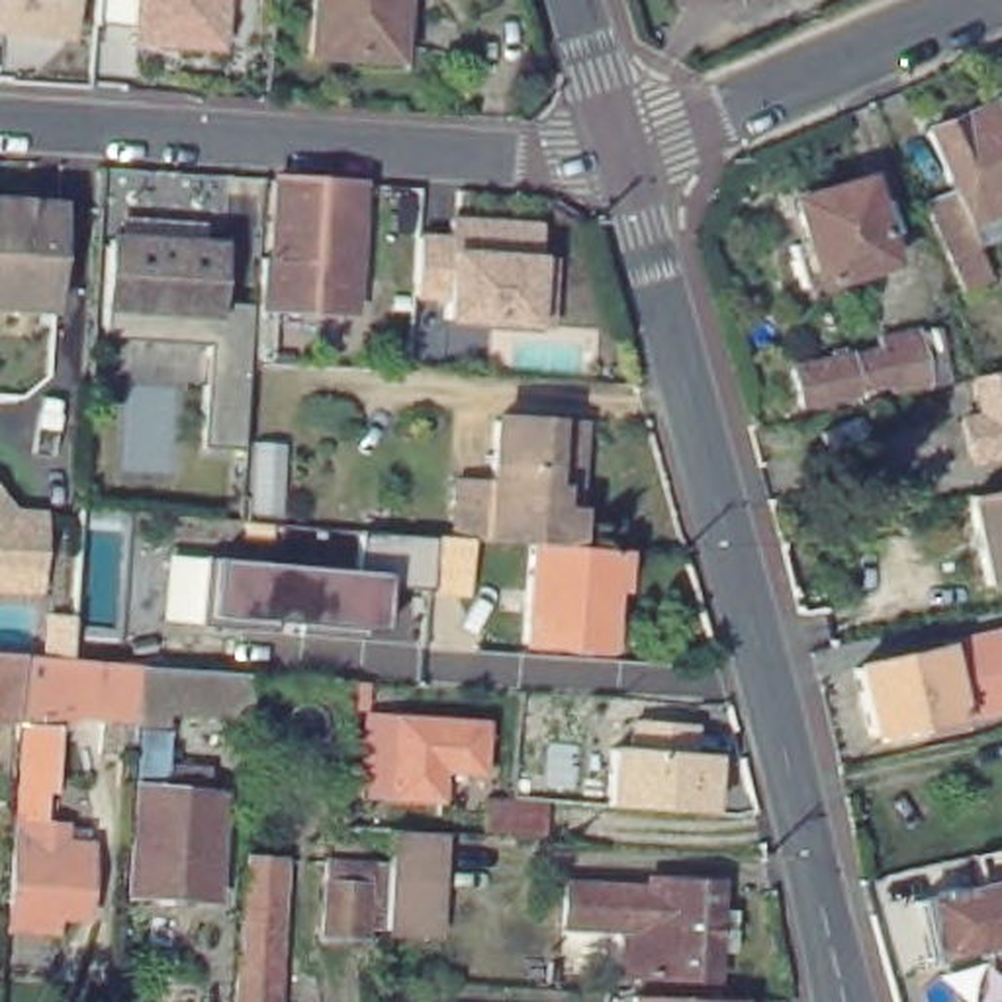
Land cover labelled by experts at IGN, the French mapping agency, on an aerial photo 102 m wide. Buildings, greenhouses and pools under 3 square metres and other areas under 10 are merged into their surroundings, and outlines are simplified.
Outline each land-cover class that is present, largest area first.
<instances>
[{"label":"impervious surface","instance_id":"1","mask_svg":"<svg viewBox=\"0 0 1002 1002\"><path fill-rule=\"evenodd\" d=\"M544 35V98L536 117H517L509 106H485L478 94L470 98V117L442 121L427 114L352 106L317 114L305 110V102L297 98L294 94L274 82V102L200 98L176 86L141 82V55L137 23H110L106 70H98L94 82H86V67L63 70L51 63L16 67L4 59L0 43V196L67 200L74 215L70 286L67 313L59 317V352L51 384L55 399L43 403V411L27 403L0 407V485L20 509L51 517L67 501L74 462V438L63 427V415L74 407V391L86 384V372H98L94 344L106 329V247L121 239L129 207L219 211L211 219V239L231 243V297L239 305H258V356L274 352L278 344H309L321 333L325 325L309 309H270V262L278 258L274 247L282 196L274 176L309 172L380 184L384 172L411 176L415 235H446L454 219H470V192L548 196L552 188H564L575 200L591 204L587 219H595L607 235V251L634 333L642 384L638 411L642 427L654 438V466H665L669 478L665 505L677 509V540L689 536L701 552L689 560L685 575L693 591V603L685 607L689 615H697L701 634H712L728 650L724 669H716L708 681H673L665 669L646 665L622 646V654L579 658L564 650H532L521 642L517 650H485L474 630H466L470 611H462V599H446L434 587L407 583L395 595V615H380L372 622L376 638H251L243 646V638L219 615L223 603L211 599L204 622H172L164 630L133 634L125 646H78L82 661H121L145 669H223L254 677L321 673L356 685L372 689H391V681H431L442 689V701H454L458 685L532 697L587 693L611 701H642L646 712V720L701 728V736H673L669 752L728 759L724 810L744 814V806L759 798L755 830L763 853L755 861H744L740 869L716 849H701L697 857L658 861L642 869L575 861L564 873L568 881L646 885L661 877H701L712 881V888L728 896L736 912L748 916L755 896H779L783 943L795 979L791 1002H932V986H947L955 994L951 1002H1002V963L955 971L943 959L939 935L932 928V908L924 904L947 892L979 888V853L963 849L939 865L896 869L881 881L865 877L857 814L845 787V759L877 748L861 716L857 669L904 654L959 646L986 630H1002V615L900 630L885 634L881 642H838L826 626V618H834L830 607L802 603V587L791 564V540L775 536L771 528V513H779L787 489L775 481V458L752 446V434L759 431V423L744 427V411L720 344L716 313L701 278L697 227L716 196L724 168L752 160L763 149V141L798 133L834 114L842 121H857L865 110L900 98L904 82L928 78L935 63L947 67L959 55H986L1002 63V0H849L838 4L826 20L798 27L759 51H748L712 70H697L689 67V51L720 47L744 31H755L787 16H806L814 0H658L654 20L665 31V43L650 47L638 31L630 0H532ZM528 344L575 348L579 364L587 368L599 352V329L560 325L552 333L528 337ZM121 368L129 372L121 423V470L129 478H168L176 470V446L172 434L180 395L200 387V372L215 364V348H200V341L180 337H121ZM74 740L82 767H90L98 783L94 791H82L63 779L51 814L55 822L70 826L78 842H90L98 853V912L94 924H63L55 939L12 935L16 982L31 986L47 975V982L63 986L74 982V975H94L102 982L114 967L106 943L114 939V892L117 885H129V822L117 814L125 779L121 752L106 744L102 720H82ZM575 783V748L556 744L548 752V767L540 775L517 779V791L532 806L556 810L560 802H583V795L611 798V779H587L583 791H568ZM615 947H626L622 932H571L564 939V959L556 963V982L564 990L587 967L591 955H615Z\"/></svg>","mask_w":1002,"mask_h":1002},{"label":"building","instance_id":"2","mask_svg":"<svg viewBox=\"0 0 1002 1002\"><path fill-rule=\"evenodd\" d=\"M247 0H0V43L4 59L16 67L51 63L63 47L78 39V23H90L86 67V82H94L98 70H106L110 23H137L141 55L180 59V51H227V31H243ZM411 0H313L305 27L309 70L329 63L360 67L411 63ZM947 121L924 117L916 137H924L935 149L943 184L947 192L932 204L928 227L939 239L947 270L959 290L990 282V274H998L1002 266V94L975 102V110L955 106L943 114ZM282 196L274 247L278 258L270 262V309H309L325 325L348 329L352 313L372 297L380 188H391L399 200L395 227L415 235L411 176L384 172L380 184L309 172L274 176ZM779 211L791 223V274L798 290L810 297L853 290L873 278L888 282L892 270L908 262L912 243H904L900 215L881 176H861L818 192L787 196ZM74 215L67 200L0 196V337H27L43 329V380L27 391H0V407L27 403L43 411V403L55 399L51 384L59 352V317L67 313L70 286ZM219 211L129 207L121 239L106 247V329L121 337H180L200 341V348H215V364L200 372V454L227 462V474L243 466L251 419V360L258 356V305H239L231 297V243L211 239V219ZM411 290L423 301H431L450 325L485 329L489 348L509 364L517 344H528V337L552 333L560 325V317H552L548 231L540 223L470 219H454L446 235H415ZM869 337L877 341L873 352L806 360L795 364L787 376L798 411H834V427L822 438H814L810 450L838 458L877 454L869 423L904 411L912 403L908 395L932 391L951 372L947 341L939 329L885 337L877 329ZM982 411L959 423L963 454L982 474L1002 466V372L971 384ZM599 438L595 423L509 411L505 423L489 427L485 466L450 462V478L442 481L450 536H376L372 521H317L305 524L313 540H356L360 552L352 568L176 556L168 564L172 622H204L211 599L223 603L219 615L243 638V646L251 638H376L372 622L380 615H395V595L407 583L434 587L446 599H462L474 591L481 548H521L528 556L524 587L505 591V611L521 615V642L532 650H564L579 658L622 654V646L626 615V599L638 587V560L634 552L591 544L595 517L579 505V497L591 489V478L599 474V454L591 450V442ZM286 493V450L278 442H262L254 454V513L247 521V536L274 540L282 517ZM802 462L775 458V481L787 489L798 481ZM51 552V517L20 509L0 485V607H16L23 595L47 591ZM971 552L990 595H1002V493L971 497L967 505V521ZM258 697L254 677L223 669H145L121 661H82L78 646V618L63 615L47 618L43 638V654H0V728H8V724H20V740H23V763H20V779L12 908V935L55 939L63 924H94L98 912V853L90 842H78L70 826L55 822L51 814L63 779V748L74 740L82 720H102L106 744L121 752L125 779L117 814L129 822V900L149 912L157 896L219 900L235 888V912H243L231 932L235 1002H282V955L290 920L286 861L251 857L247 869H235V775L227 767L172 765V728H184L188 716H215L223 724L254 708ZM861 716L877 748H900L1002 720V630H986L959 646L904 654L857 669ZM356 712L368 728V798L438 814L458 783L470 787L474 779H493L489 720L387 716L376 712L372 689L356 685ZM673 736H701V728L646 720V712L622 720V748L611 752V806L638 810H724L728 759L669 752ZM493 822L513 838H548V830L560 822L556 810L532 806L517 791L509 802H493ZM454 873L450 838L399 830V849L387 861H333V873H321V904L313 916V939L325 947L376 943L391 932L395 939L431 947L446 935V877ZM924 904L932 908V928L939 935L943 959L955 971L1002 963V849L979 853V888L947 892ZM564 939L571 932H622L626 947H615V955L622 975H642L646 982H724L728 975H736V951L748 916L736 912L728 896L712 888V881L701 877H661L646 885L568 881V892L552 916Z\"/></svg>","mask_w":1002,"mask_h":1002},{"label":"herbaceous vegetation","instance_id":"3","mask_svg":"<svg viewBox=\"0 0 1002 1002\"><path fill-rule=\"evenodd\" d=\"M411 63L360 67L372 90H403L427 114L442 121L470 117V98L442 70L450 55H474L478 63H489V74L478 94L485 106H509V86L521 67V31L513 23V8L521 0H411ZM90 23H78V39L63 47L51 63L63 70L86 67ZM924 117L920 106H908L900 98L865 110L857 121L849 149L853 157L838 160L814 184L818 192L861 176H881L900 215L912 207V172H920L928 184H943L935 149L924 137H916ZM787 196L779 184H752V192L736 207L740 219L771 223L787 243L767 254L771 286L752 282L724 243V274L763 321L771 333L818 325L826 341L869 337L877 329L885 337L939 329L947 341L951 372L932 391L908 395L912 403L904 411L869 423L877 454L838 458L849 466L857 481L888 489H916L924 481H939L943 489H959L967 505L971 497L1002 493V466L982 474L963 454L959 423L982 411L971 384L1002 372V266L998 274H990V282L959 290L947 270L939 239L928 227L920 243H912L908 262L892 270L888 282L873 278L853 290L810 297L798 290L791 274V223L779 211ZM399 200L391 188H380L372 297L352 313L348 329L325 325L321 333V341H329L333 352L344 344L364 348V337L395 341L411 372H419L415 360L423 348L434 356H450L478 344L489 348L485 329L450 325L431 301H423L411 290L415 235L395 227ZM540 223L548 231L552 317H560V325L599 329L595 294L571 243V231L552 215H544ZM43 380V329L27 337H0V391H27ZM301 344H278L274 352L258 356L251 360V419L243 466L227 474V462L200 454V438L176 446V470L168 478H129L121 470V423L98 434V470L106 474V481L227 497L239 509V521L188 517L160 544L176 556L352 568L360 552L356 540H313L305 524L282 517L274 540L247 536V521L254 513V454L262 442H278L286 450V493L294 485L313 489L317 521H372L376 536H450L442 481L450 478V462L454 419L446 407L407 403L399 411H368V434L333 450L321 434L337 431L341 423H352L356 415L352 407L317 403L309 395L317 387H329L321 380L325 364H297ZM599 438L591 442V450L599 454V474L591 478V489L579 497V505L595 517L591 544L634 552L638 560L650 552H685L689 560L701 552L689 536L677 540V509L665 505L669 478L665 466H654V438L642 427L638 411L626 419L603 415L595 423ZM752 446L775 458L802 462L806 446L798 442V431H759L752 434ZM935 575L928 607L971 603L990 595L971 552L967 521L959 528H935L912 540ZM528 556L521 548H481L474 591L462 599V611H470L466 630H474L485 650H517L521 642V615L505 611V591L524 587ZM661 603L685 607L693 603V591L685 575L638 587L626 599V615L650 622L658 618ZM376 712L387 716L489 720L493 779H474L470 787L458 783L438 814L368 798H352L348 822L360 830H399L450 838L454 873L446 877V935L431 947L419 959V975L462 979L466 994L454 1002H564V990L556 982V963L564 959V939L552 916L544 924L524 920L532 892V861L540 838H513L493 822V802H509L517 791V779L540 775L548 767V752L556 744L575 748V783L568 791H583L587 779H611V752L622 748V720L646 712L642 701H611L587 693L532 697L458 685L454 701H442V689L431 681H391V689H372ZM270 724H278L286 740L305 744L325 767H333L337 740L329 708L290 705L286 697H258L254 708ZM935 775L963 779L986 802L982 812L939 826L920 798L924 783ZM845 787L857 814L865 877L881 881L896 869L939 865L963 849L979 853L1002 849V720L900 748H877L845 759ZM172 765L227 767L223 759H219V755H200V752H188V744H184V728H172ZM63 779L82 791H94L98 783L90 767H82L74 740L63 748ZM20 779L12 775V771H0V904L12 908ZM560 822L583 826L599 838H615L611 849H583L575 861L642 869L658 861L697 857L701 849H716L740 869L744 861H755L763 853L755 830L759 798L744 806V814L724 810H638L611 806V798L583 795V802H560L556 810ZM333 861H387L376 849H337L333 842H321V822L305 818V826L297 830V857L286 861L290 920L282 955V1002H360V971L368 963H380L376 943L325 947L313 939V916L321 904V873H333ZM243 912H235V888L219 900L157 896L149 912L129 900V885H117L114 892V939L106 943L114 967L102 982L94 975H74V982L63 986L47 982V975L31 986L16 982V1002H137L133 967L137 955L149 951L184 955L204 967V982L176 979L168 982L160 1002H235L231 932ZM795 979L783 943L779 896H755L748 916L736 951V975H728L724 982H646L642 975H622L618 1002H791Z\"/></svg>","mask_w":1002,"mask_h":1002},{"label":"deciduous trees","instance_id":"4","mask_svg":"<svg viewBox=\"0 0 1002 1002\"><path fill-rule=\"evenodd\" d=\"M313 0H278L274 59L286 70L274 74V82L294 94L297 78L309 70L305 27ZM442 70L470 98L478 94L489 74V63H478L474 55H450ZM1002 94V63L986 55H959L947 67L935 63L928 78L904 82L900 98L908 106H920L924 117L947 121L943 114L955 106L975 110V102ZM305 102V110L317 114L352 106L344 94V78L321 82L317 90H305L297 98ZM947 192L943 184H928L920 172H912V207L900 215L904 243H920L928 227L932 204ZM724 243L752 282L771 286L767 254L787 243L771 223L740 219L728 227ZM877 341L869 337L826 341L818 325L771 333L763 321L752 329V368L759 384V403L744 411V427L759 423V431H798V442L806 446L802 462L798 481L787 489L779 513H771V528L775 536L791 540V564L802 587V603L830 607L865 603L861 560L885 564L888 540H912L935 528H959L967 521V505L959 489H943L939 481H924L916 489H888L857 481L849 466L838 458L810 450L814 438H822L834 427V411H798L787 376L795 364L806 360L873 352ZM297 364H325L372 368L387 380H403L411 372L395 341L364 337V348L344 344L333 352L329 341H321V333L309 344H301ZM200 387L180 395L172 434L176 446L200 438ZM309 395L317 403L352 407L356 415L352 423H341L337 431L321 434L333 450L368 434V411L360 395L329 387H317ZM282 517L305 524L317 521L313 489L294 485L286 493ZM137 536L160 544L188 517L180 505L149 501H137L125 513ZM689 560L685 552H650L638 560V587L685 575ZM622 646L646 665L665 669L673 681H708L716 669H724L728 650L712 634H701L697 615H689L685 607L661 603L658 618L650 622L626 615ZM258 697H286L290 705L329 708L337 740L333 767H325L305 744L286 740L278 724H270L254 708L223 724V759L227 767L235 775V869H247L251 857L286 861L297 857V830L305 826V818L321 822V842H333L337 849H376L387 861L399 849V830H360L348 822L352 798H368V728L356 712V685L321 673L254 677ZM920 798L939 826L982 812L986 802L963 779L935 775L924 783ZM532 892L524 920L544 924L552 916L568 892V881L564 873L556 865L532 861ZM0 1002H16V982L12 935V908L0 904ZM380 963H368L360 971V1002H454L466 994L462 979L419 975V959L431 947L395 939L391 932L376 943ZM176 979L204 982V967L184 955L149 951L137 955L133 967L137 1002H160L168 982ZM622 975L615 955H591L587 967L564 990V1002H618Z\"/></svg>","mask_w":1002,"mask_h":1002},{"label":"brushwood","instance_id":"5","mask_svg":"<svg viewBox=\"0 0 1002 1002\"><path fill-rule=\"evenodd\" d=\"M262 20L251 35L254 63L247 70L180 67V59L141 55V82L176 86L200 98L274 102V74L286 70L274 59L278 0H258ZM513 23L521 31V67L509 86V106L517 117H536L544 98V35L532 0H521L513 8ZM638 31L650 47L665 43V31L654 20L658 0H630ZM838 4L849 0H814L806 16H787L755 31H744L720 47L689 51V67L697 70H712L748 51H759L798 27L826 20ZM344 78V94L352 106L427 114L403 90H372L360 67L329 63L309 70L297 78L294 94L297 98L305 90H317L321 82ZM857 121H842L834 114L798 133L763 141V149L752 160L724 168L716 196L697 227L701 278L716 313L720 344L744 411L759 403V384L752 368V329L763 321L724 274V243L728 227L740 219L736 207L752 192V184H779L787 196L818 192L814 184L838 160L853 157L849 149ZM591 204L575 200L564 188H552L548 196L470 192V219L540 223L544 215H552L571 231V243L595 294L599 329V352L587 368L548 372L509 364L489 348L478 344L450 356H434L423 348L415 360L419 372L497 380L513 384L517 395L524 387L575 380L587 391V399L595 391L642 384L634 333L607 251V235L595 219H587ZM121 337L106 329L94 344L98 372H86V384L74 391V407L63 415V427L74 438V462L67 501L51 517V552L74 556H82V532L90 528L78 524V513L86 509L125 513L137 501H149L180 505L188 517L239 521V509L227 497L106 481V474L98 470V434L121 423L129 372L121 368ZM1002 615V595H990L971 603L928 607L900 611L892 618L861 626L834 618H826V626L838 642H881L885 634L900 630ZM615 838H599L583 826L560 822L548 830V838H540L532 861L556 865L564 873L575 861L583 849H611Z\"/></svg>","mask_w":1002,"mask_h":1002},{"label":"pervious surface","instance_id":"6","mask_svg":"<svg viewBox=\"0 0 1002 1002\"><path fill-rule=\"evenodd\" d=\"M262 20L258 0H247L243 31H227V51H180V67L247 70L254 63L251 35ZM321 380L329 387L360 395L368 411H399L407 403L446 407L454 419L450 462L485 466L489 427L505 423L509 411L595 423L603 415L626 419L638 411L642 384L595 391L587 399V391L575 380L524 387L517 395L513 384L497 380L419 372H411L403 380H387L372 368L325 364ZM78 524L90 528L117 540L114 626H82L90 618V607L82 603V583L74 579V556L51 552L47 591L23 595L16 607L31 615V634L43 638L47 618L63 615L78 618V646H125L133 634L164 630L172 622L168 564L176 556L160 544L137 536L125 513L86 509L78 513ZM865 603L830 607L834 618L861 626L892 618L900 611L928 607L935 575L912 540H888L885 564L861 560ZM184 744H188V752H200V755H219V759H223V724L215 716H188L184 728ZM20 763H23V740H20V724H8V728H0V771H12V775L20 779Z\"/></svg>","mask_w":1002,"mask_h":1002},{"label":"swimming pool","instance_id":"7","mask_svg":"<svg viewBox=\"0 0 1002 1002\"><path fill-rule=\"evenodd\" d=\"M509 364L548 372L587 368L579 364L575 348L528 344H517ZM74 579L82 583V603L90 607V618L82 626H114L117 540L90 528L82 532V556H74ZM0 654H43V638L31 634V615L16 607H0ZM932 1002H951L955 994L947 986H932Z\"/></svg>","mask_w":1002,"mask_h":1002}]
</instances>
